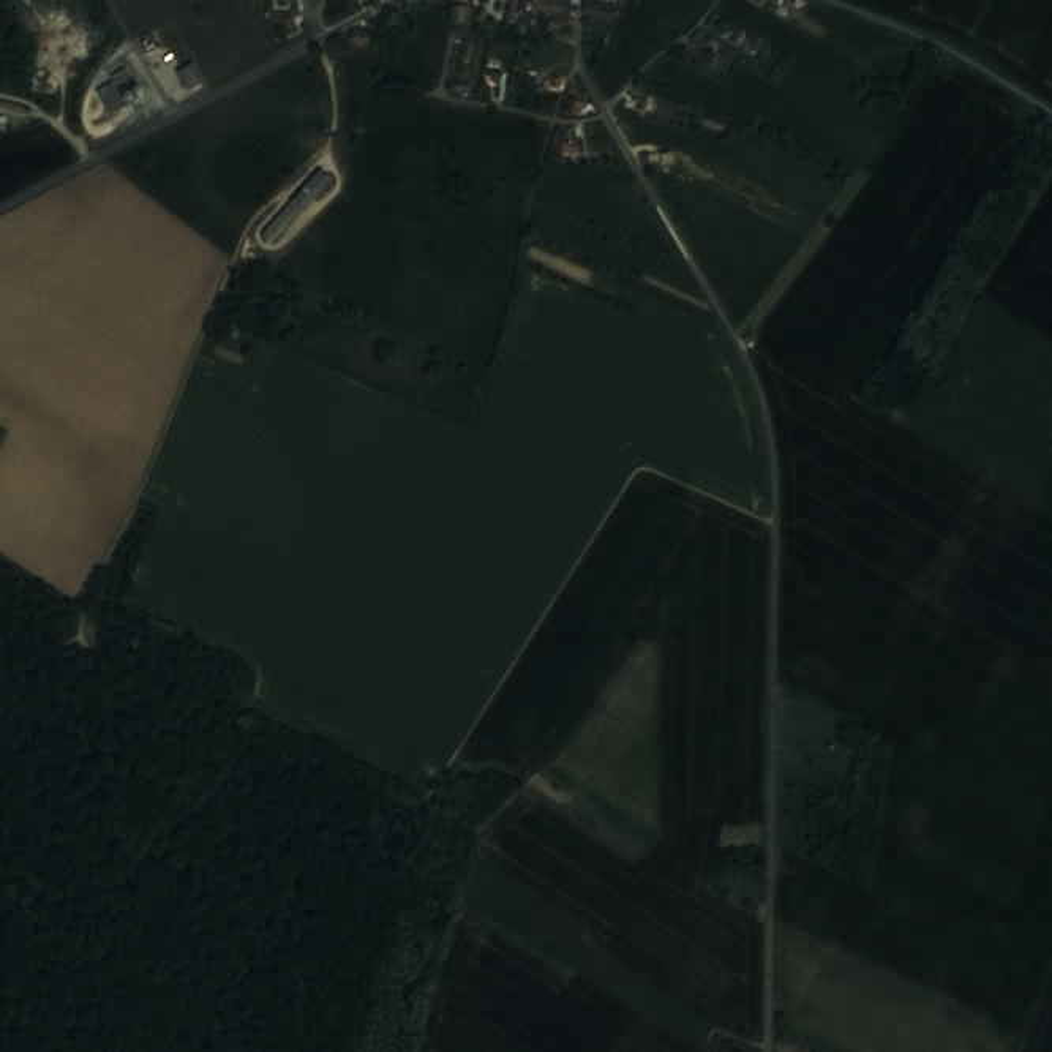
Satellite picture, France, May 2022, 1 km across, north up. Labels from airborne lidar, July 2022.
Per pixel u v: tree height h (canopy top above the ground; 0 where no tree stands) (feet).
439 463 0
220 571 0
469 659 0
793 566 0
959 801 0
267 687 0
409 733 0
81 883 91
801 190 0
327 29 0
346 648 0
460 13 0
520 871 0
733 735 0
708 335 0
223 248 0
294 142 0
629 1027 0
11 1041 73
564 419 0
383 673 0
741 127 19
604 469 0
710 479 0
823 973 0
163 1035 78
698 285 0
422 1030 66
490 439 0
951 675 0
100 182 0
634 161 0
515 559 0
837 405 0
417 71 0
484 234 0
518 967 0
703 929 0
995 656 0
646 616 0
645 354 0
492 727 0
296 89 0
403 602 0
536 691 0
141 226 0
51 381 0
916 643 0
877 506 0
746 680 0
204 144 0
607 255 0
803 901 0
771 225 0
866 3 0
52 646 78
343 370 0
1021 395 0
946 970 0
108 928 83
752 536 0
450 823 73
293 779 88
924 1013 0
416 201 0
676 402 0
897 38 0
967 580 0
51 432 0
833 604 0
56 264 0
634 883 0
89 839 85
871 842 31
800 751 0
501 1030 0
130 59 0
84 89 0
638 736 0
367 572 0
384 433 0
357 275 0
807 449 0
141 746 89
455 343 0
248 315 70
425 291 0
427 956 75
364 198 0
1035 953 0
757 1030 0
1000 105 0
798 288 0
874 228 0
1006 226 60
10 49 28
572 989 0
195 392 0
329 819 93
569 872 0
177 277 0
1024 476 0
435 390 0
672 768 0
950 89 0
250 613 0
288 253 0
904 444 0
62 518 0
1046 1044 0
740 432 0
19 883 77
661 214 0
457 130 0
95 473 0
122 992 73
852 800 46
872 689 0
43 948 80
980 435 0
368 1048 88
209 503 0
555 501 0
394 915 79
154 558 0
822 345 0
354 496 0
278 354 0
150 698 84
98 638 30
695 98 0
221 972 73
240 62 0
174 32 0
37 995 87
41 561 0
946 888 0
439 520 0
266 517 0
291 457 0
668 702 0
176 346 0
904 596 0
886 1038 0
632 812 0
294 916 74
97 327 0
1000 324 0
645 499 0
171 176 0
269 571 0
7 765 79
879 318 0
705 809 0
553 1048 0
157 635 55
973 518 0
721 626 0
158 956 76
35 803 75
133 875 28
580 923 0
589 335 0
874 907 0
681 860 0
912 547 0
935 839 0
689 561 0
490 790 58
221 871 85
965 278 74
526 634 0
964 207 0
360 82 0
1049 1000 0
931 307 57
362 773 51
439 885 77
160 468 0
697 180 0
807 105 0
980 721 0
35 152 0
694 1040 0
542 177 32
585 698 0
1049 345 0
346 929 76
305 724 0
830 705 0
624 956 0
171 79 0
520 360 0
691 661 0
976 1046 0
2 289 0
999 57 0
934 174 0
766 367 0
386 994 80
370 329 52
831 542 0
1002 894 0
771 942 0
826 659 0
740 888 0
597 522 0
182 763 75
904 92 21
